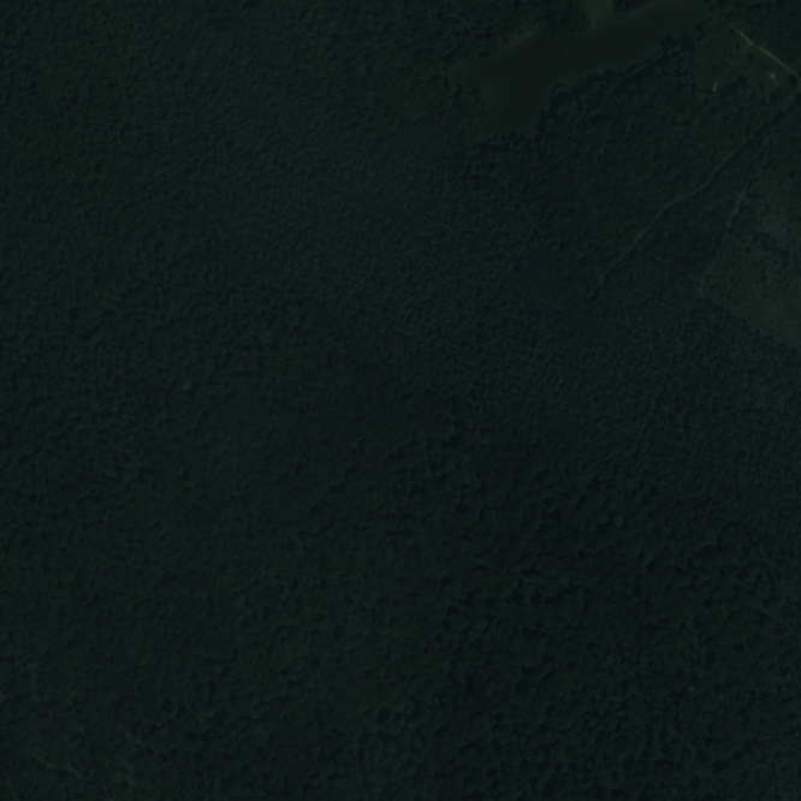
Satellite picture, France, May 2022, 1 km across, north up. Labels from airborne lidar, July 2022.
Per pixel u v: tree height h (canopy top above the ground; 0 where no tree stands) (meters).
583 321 14
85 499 18
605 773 25
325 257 20
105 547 19
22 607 18
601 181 18
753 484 17
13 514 20
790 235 6
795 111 12
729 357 11
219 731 25
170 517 21
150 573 19
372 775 28
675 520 22
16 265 12
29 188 15
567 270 17
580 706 26
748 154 9
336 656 21
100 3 14
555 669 21
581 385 15
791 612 18
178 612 21
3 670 20
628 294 11
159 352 14
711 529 23
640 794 7
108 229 14
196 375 18
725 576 25
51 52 14
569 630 22
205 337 14
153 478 21
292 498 18
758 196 10
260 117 12
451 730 31
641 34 0
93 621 21
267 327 16
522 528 26
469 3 20
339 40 19
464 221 14
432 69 26
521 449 21
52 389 19
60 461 19
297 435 19
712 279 8
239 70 17
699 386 10
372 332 17
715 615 28
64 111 17
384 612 24
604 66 0
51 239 11
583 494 22
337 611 24
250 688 23
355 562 28
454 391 21
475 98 10
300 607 26
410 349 11
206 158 9
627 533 28
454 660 27
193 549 17
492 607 28
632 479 20
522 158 21
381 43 23
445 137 8
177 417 19
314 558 18
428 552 27
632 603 22
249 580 23
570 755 21
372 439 20
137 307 15
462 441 28
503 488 26
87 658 19
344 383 17
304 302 17
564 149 21
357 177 13
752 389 10
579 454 18
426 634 27
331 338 17
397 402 20
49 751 23
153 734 26
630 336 11
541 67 0
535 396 16
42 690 11
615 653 21
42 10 19
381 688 31
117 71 10
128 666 16
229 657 15
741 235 8
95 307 24
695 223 15
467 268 23
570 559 23
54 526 20
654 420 14
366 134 15
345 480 20
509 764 29
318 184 11
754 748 21
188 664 18
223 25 13
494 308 15
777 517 17
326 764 30
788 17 19
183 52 7
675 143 15
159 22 14
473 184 14
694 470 14
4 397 18
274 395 17
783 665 19
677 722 19
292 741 25
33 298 16
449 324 13
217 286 14
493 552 24
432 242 18
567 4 16
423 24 20
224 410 17
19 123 13
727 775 25
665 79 23
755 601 26
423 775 30
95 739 18
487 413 13
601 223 17
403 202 13
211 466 17
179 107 14
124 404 15
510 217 15
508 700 29
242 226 13
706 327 9
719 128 14
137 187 13
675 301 12
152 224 13
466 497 27
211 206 11
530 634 24
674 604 29
